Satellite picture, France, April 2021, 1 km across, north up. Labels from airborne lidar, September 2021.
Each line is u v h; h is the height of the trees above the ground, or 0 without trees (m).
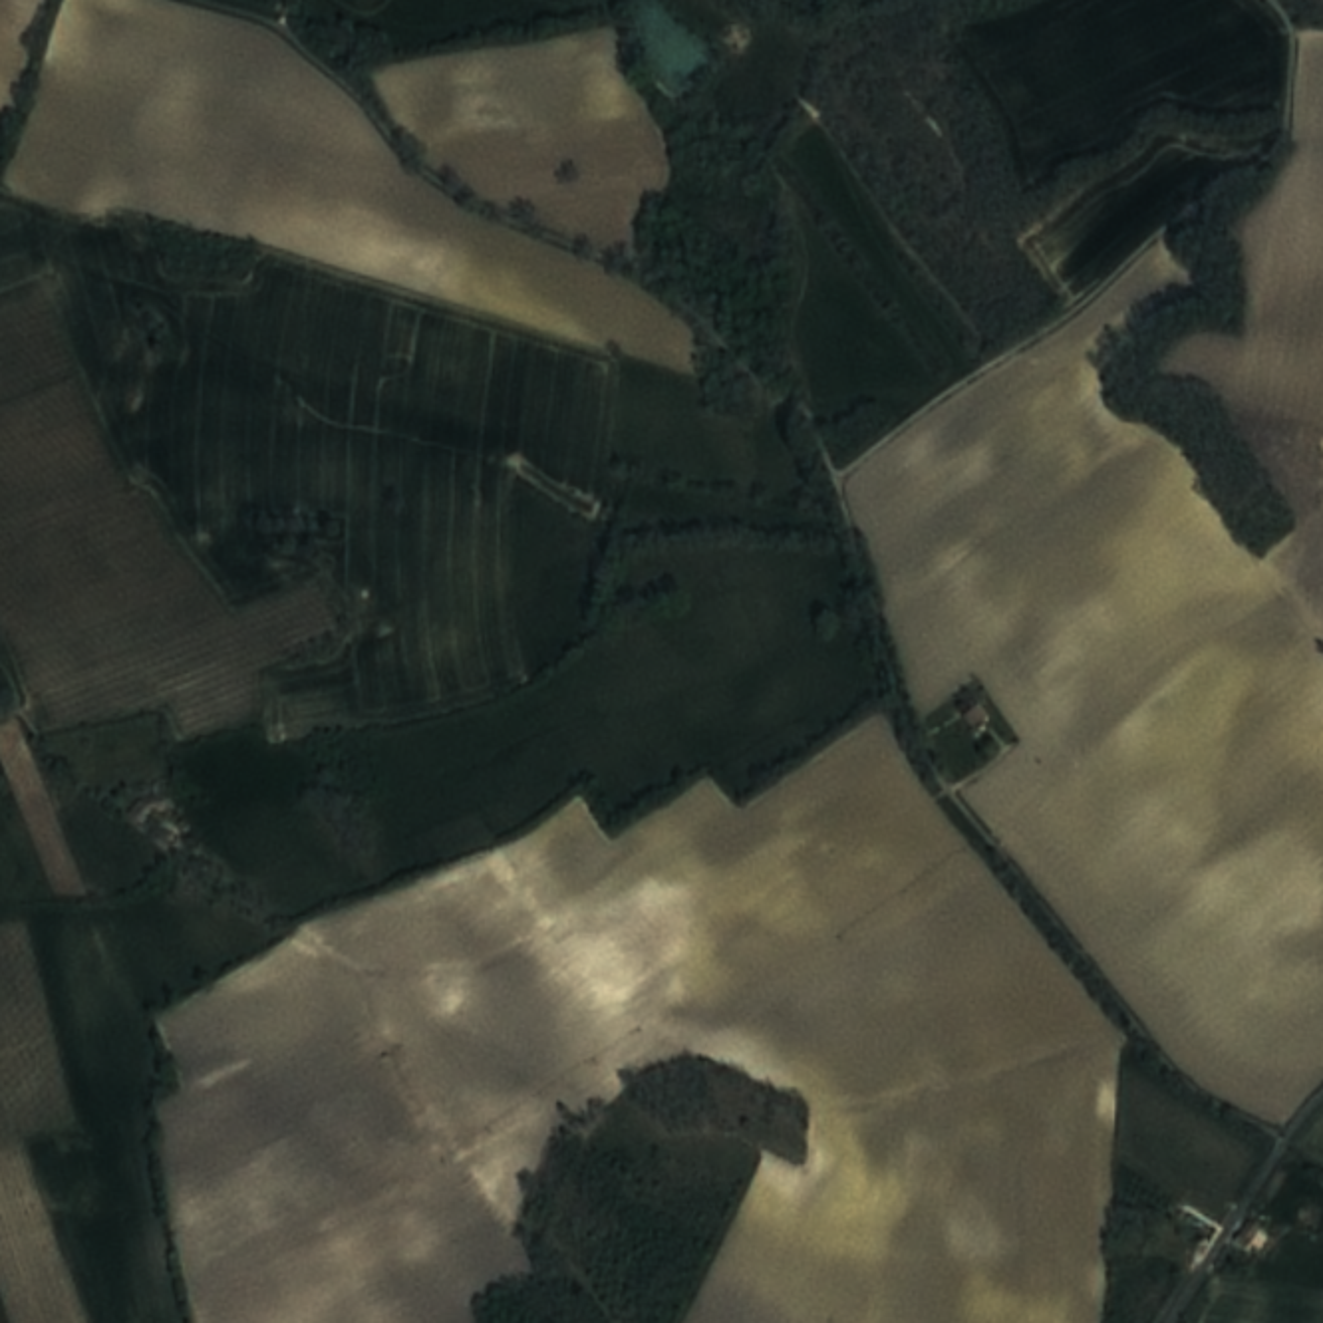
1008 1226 0
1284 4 7
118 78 0
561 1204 0
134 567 0
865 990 0
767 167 14
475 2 0
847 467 10
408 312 0
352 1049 0
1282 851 0
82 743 6
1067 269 0
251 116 0
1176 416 18
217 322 0
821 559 12
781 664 0
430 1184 0
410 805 0
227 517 0
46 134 0
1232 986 0
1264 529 17
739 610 0
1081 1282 0
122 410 0
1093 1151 0
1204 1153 0
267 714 0
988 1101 0
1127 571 0
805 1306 0
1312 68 0
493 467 0
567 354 0
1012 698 0
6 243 0
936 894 0
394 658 0
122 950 0
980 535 0
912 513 0
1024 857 0
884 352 0
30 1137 0
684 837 0
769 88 0
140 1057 0
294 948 0
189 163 0
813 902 0
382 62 14
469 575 0
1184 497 0
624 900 0
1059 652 0
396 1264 0
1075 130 0
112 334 0
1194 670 0
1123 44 0
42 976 0
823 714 0
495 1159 0
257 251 12
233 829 0
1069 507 0
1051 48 0
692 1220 7
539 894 0
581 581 0
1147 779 0
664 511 0
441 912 0
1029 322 14
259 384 0
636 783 0
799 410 16
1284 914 0
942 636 0
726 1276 0
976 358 7
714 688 0
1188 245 21
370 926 0
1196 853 0
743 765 0
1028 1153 0
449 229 0
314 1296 0
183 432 0
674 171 9
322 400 0
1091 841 0
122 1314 0
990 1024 0
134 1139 0
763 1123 5
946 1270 0
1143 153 19
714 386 14
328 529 15
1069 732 0
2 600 0
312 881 0
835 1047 0
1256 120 14
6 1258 0
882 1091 0
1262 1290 0
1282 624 0
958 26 12
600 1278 9
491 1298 10
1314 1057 0
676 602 21
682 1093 14
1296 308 0
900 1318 0
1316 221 0
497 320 0
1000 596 0
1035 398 0
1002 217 17
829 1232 0
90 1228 0
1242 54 0
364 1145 0
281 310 0
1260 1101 0
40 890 0
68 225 0
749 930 0
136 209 0
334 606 0
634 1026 0
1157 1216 15
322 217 0
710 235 11
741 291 16
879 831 0
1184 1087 13
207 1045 0
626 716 0
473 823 0
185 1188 0
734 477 0
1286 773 0
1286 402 0
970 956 0
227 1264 0
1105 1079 0
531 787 0
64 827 0
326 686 0
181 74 0
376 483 0
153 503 0
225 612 0
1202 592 0
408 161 15
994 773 0
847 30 15
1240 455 17
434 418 0
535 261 0
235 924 0
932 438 0
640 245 12
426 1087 0
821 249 0
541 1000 0
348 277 0
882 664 20
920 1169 0
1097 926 0
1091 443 0
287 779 0
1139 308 0
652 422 0
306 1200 0
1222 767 0
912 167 10
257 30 0
